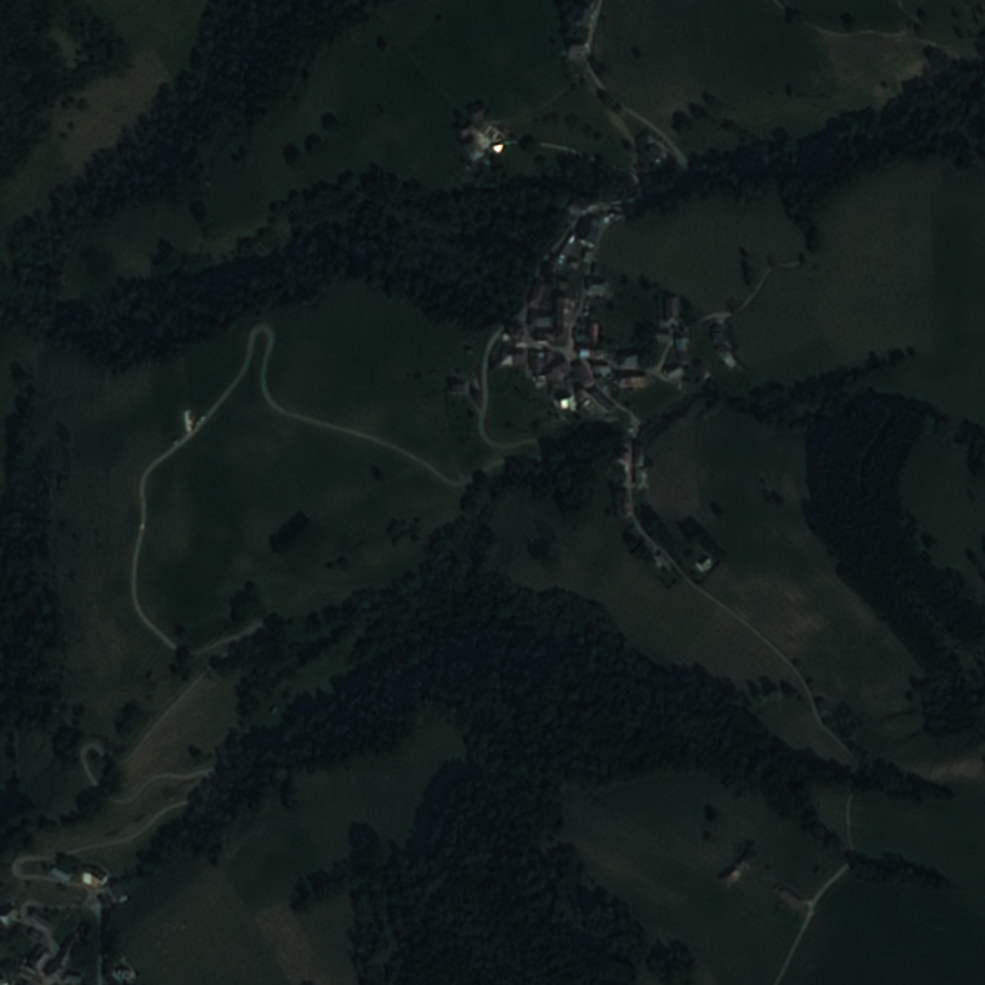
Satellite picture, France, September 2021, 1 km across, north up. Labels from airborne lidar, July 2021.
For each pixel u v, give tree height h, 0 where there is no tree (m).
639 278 0
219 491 0
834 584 0
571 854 13
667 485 0
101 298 0
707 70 0
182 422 0
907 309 0
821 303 0
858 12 0
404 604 20
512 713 28
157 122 23
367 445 0
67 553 0
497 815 27
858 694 0
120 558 0
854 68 0
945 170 0
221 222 0
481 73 0
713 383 11
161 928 0
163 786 0
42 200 0
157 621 0
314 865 0
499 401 0
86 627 0
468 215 24
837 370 0
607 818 0
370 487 0
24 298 24
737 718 29
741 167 18
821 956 0
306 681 0
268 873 0
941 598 22
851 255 0
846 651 0
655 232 0
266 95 28
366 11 12
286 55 34
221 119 22
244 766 14
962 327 0
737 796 14
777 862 0
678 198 17
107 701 0
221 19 25
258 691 23
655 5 0
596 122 0
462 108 0
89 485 0
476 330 8
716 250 0
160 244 0
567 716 29
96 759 11
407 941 7
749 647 0
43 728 16
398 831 0
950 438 17
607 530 0
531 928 19
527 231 17
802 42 0
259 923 0
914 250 0
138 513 0
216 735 0
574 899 0
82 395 0
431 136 0
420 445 0
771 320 0
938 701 8
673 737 34
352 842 0
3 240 0
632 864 0
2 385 0
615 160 0
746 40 0
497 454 0
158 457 0
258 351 0
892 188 0
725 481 0
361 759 17
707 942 0
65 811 0
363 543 0
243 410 0
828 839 11
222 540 0
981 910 0
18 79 18
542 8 0
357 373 0
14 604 16
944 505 0
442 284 6
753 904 0
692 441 0
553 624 22
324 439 0
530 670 30
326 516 0
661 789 0
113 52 21
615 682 30
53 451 0
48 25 14
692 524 0
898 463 21
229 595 0
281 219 18
